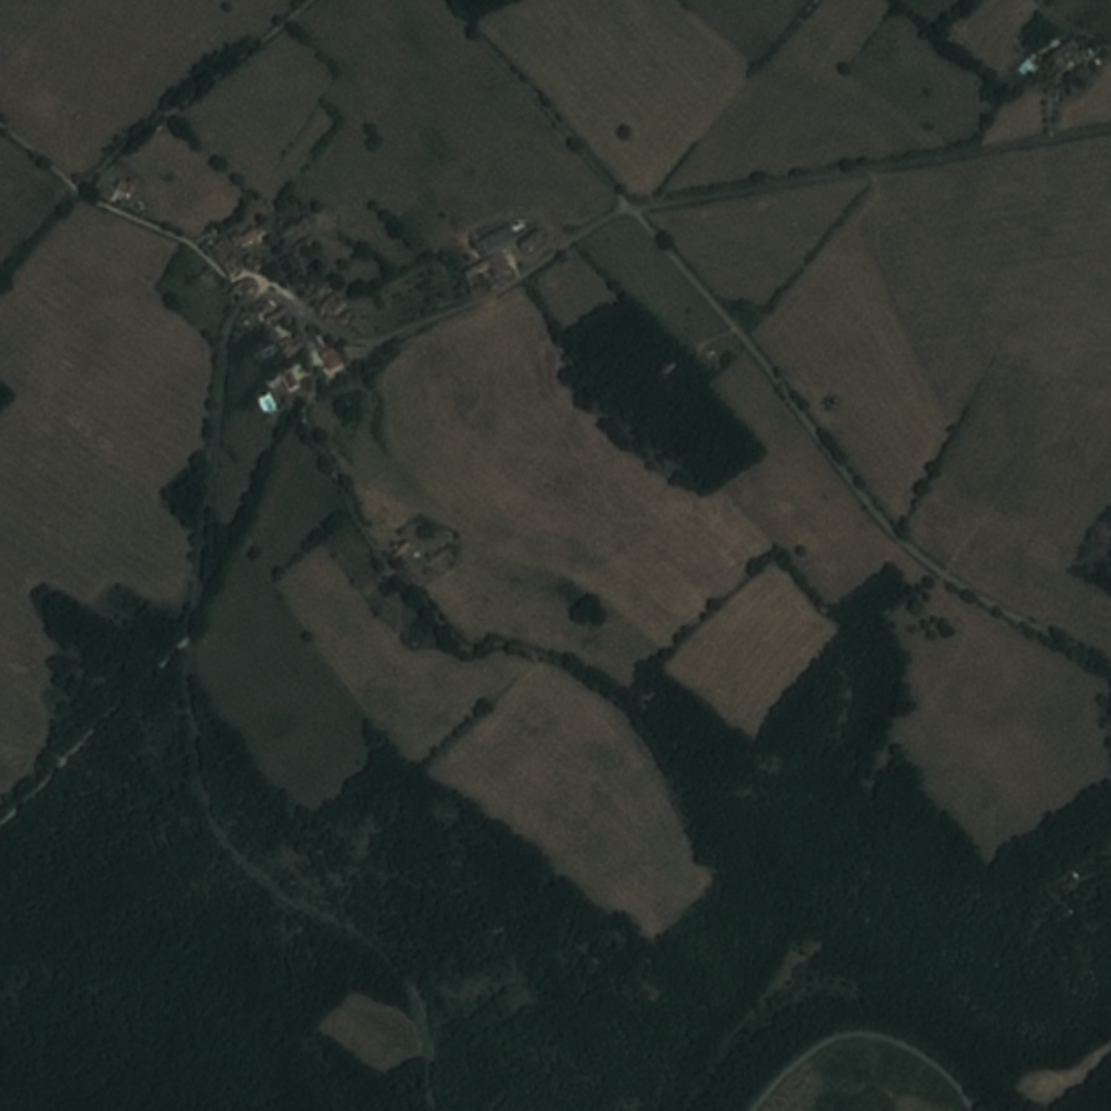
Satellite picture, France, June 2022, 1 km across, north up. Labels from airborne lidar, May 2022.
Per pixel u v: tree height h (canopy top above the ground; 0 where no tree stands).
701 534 0
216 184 0
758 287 0
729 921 6
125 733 11
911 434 0
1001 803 0
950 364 0
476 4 15
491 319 0
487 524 0
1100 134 0
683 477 10
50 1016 10
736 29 0
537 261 0
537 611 0
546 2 0
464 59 0
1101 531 0
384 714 0
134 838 10
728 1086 7
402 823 11
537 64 0
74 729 9
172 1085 9
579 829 0
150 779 12
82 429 0
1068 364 0
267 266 11
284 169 0
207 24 0
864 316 0
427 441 0
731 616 0
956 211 0
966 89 0
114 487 0
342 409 7
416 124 0
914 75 0
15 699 0
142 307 0
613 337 11
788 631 0
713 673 0
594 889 0
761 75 0
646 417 10
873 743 13
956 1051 11
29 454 0
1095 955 6
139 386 0
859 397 0
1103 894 11
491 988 6
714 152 0
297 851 11
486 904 11
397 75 0
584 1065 8
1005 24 0
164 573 0
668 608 0
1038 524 0
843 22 0
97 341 0
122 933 11
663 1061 11
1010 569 0
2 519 0
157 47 0
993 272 0
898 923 6
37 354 0
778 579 0
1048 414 0
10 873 10
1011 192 0
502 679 0
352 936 8
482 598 0
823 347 0
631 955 10
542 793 0
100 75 0
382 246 0
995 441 0
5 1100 14
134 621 8
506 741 0
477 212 0
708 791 9
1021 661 0
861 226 0
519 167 0
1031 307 0
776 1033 8
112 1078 10
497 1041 11
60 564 0
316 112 0
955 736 0
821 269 0
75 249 0
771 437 0
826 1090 0
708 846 7
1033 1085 0
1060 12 0
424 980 9
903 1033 13
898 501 0
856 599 8
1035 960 9
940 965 8
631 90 0
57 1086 16
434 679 0
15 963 11
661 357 7
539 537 0
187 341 0
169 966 10
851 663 6
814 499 0
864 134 0
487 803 0
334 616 0
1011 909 7
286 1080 10
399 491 0
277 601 0
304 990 10
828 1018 10
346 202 0
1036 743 0
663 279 0
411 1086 11
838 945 9
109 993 10
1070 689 0
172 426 0
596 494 0
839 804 13
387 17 0
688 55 0
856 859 8
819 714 9
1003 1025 8
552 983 8
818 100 0
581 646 0
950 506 0
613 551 0
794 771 6
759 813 7
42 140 0
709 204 0
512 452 0
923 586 8
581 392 7
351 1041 0
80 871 9
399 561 12
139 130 7
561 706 0
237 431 0
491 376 0
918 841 9
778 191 0
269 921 9
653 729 8
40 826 8
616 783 0
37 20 0
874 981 13
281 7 0
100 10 0
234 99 0
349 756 0
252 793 9
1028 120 0
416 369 0
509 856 11
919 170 0
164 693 11
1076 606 0
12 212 0
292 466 0
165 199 0
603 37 0
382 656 0
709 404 11
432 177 0
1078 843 14
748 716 0
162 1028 11
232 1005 9
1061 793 0
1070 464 0
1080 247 0
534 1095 7
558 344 10
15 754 0
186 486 13
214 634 0
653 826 0
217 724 13
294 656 0
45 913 10
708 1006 8
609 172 0
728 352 8
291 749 0
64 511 0
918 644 0
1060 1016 9
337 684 0
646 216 0
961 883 8
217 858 6
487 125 0
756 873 6
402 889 10
